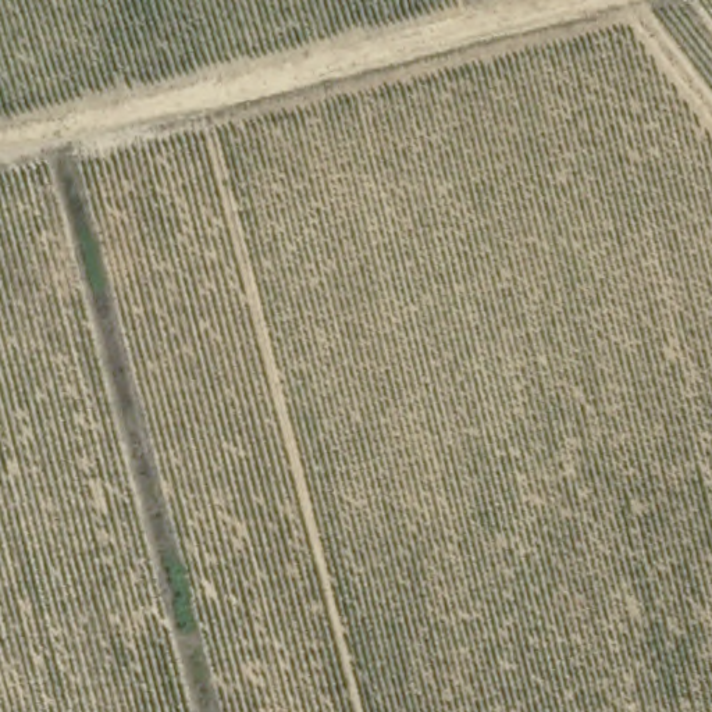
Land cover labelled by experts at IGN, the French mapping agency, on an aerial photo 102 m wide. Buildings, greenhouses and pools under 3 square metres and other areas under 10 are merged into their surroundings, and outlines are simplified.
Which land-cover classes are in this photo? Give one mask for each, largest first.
<instances>
[{"label":"vineyard","instance_id":"1","mask_svg":"<svg viewBox=\"0 0 712 712\"><path fill-rule=\"evenodd\" d=\"M487 0H0V114H19L42 106L78 100L89 89L103 92L117 83H156L172 75H186L200 67L234 61L242 56L259 58L275 50H292L303 42H323L356 25H392L451 6H484ZM153 128L167 131L170 139L128 145L111 150L108 156H72V145H61L39 150V156H22L17 161L0 164V712H712V0H626L617 6L587 11L573 19L473 39L437 53L370 67L353 75L314 81L306 86L228 103L220 108L161 114L153 122Z\"/></svg>","mask_w":712,"mask_h":712},{"label":"pervious surface","instance_id":"2","mask_svg":"<svg viewBox=\"0 0 712 712\"><path fill-rule=\"evenodd\" d=\"M626 0H487L484 6H451L392 25H356L323 42H303L292 50H275L259 58L242 56L234 61L200 67L186 75H172L156 83H117L103 92L89 89L78 100L42 106L19 114H0V164L17 161L22 156H39V150L61 145H72V156H108L111 150L128 145L170 139L167 131L153 128V122L161 114L220 108L228 103L306 86L314 81L353 75L370 67L437 53L473 39L573 19L587 11L617 6Z\"/></svg>","mask_w":712,"mask_h":712}]
</instances>
